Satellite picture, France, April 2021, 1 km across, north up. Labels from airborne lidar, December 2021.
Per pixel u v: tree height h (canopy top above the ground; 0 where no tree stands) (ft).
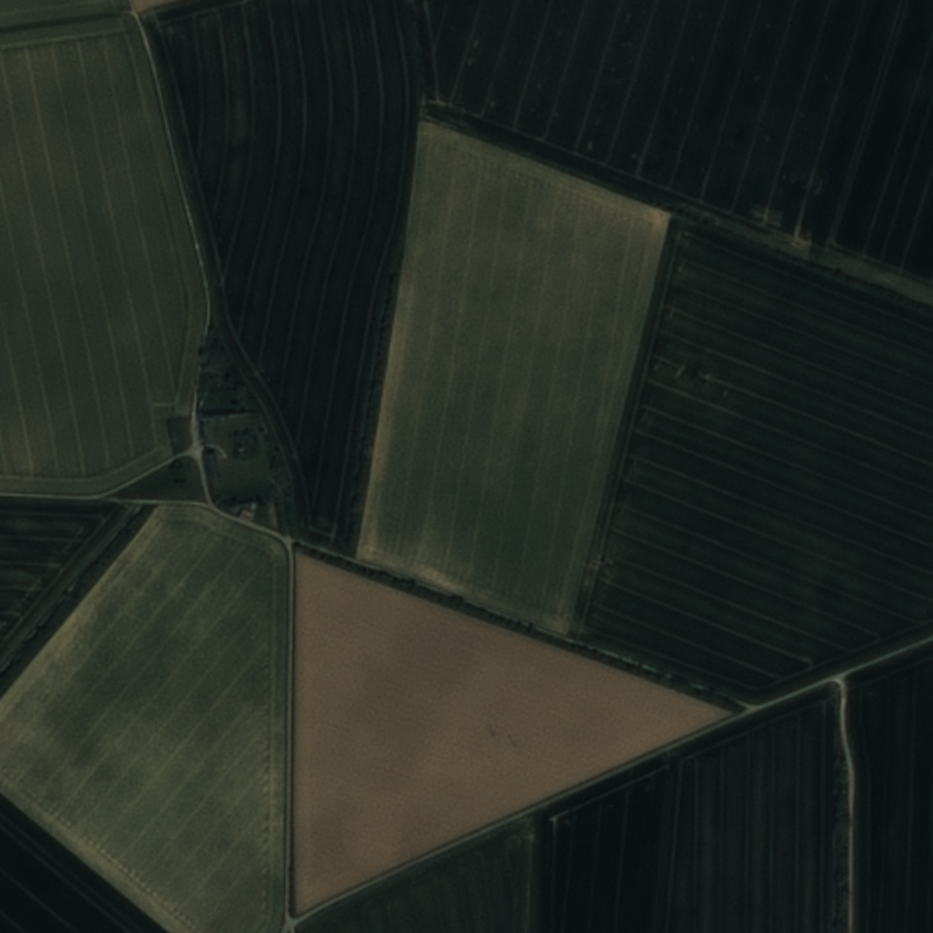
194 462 0
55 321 0
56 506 0
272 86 0
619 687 0
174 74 0
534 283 0
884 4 0
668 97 0
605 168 0
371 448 26
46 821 0
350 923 0
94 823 0
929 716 0
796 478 0
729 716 0
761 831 0
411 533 0
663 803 0
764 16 0
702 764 0
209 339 28
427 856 0
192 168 0
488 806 0
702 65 0
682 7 0
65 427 0
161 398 0
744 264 0
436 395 0
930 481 0
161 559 0
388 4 0
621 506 0
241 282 0
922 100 0
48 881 0
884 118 0
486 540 0
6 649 0
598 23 0
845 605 0
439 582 0
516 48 0
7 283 0
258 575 0
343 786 0
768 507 0
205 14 0
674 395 0
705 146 0
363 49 0
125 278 0
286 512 33
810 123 0
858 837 0
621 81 0
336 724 0
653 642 0
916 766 0
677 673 0
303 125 0
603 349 0
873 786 0
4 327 0
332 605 0
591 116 0
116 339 0
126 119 0
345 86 0
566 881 0
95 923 0
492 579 0
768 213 0
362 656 0
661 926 0
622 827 0
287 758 0
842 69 0
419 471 0
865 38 0
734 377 0
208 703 0
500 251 0
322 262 0
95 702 0
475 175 0
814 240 0
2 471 0
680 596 0
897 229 0
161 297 0
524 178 0
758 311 0
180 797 0
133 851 0
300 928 0
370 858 0
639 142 0
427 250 0
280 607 0
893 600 0
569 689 0
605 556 0
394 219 0
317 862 0
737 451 0
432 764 0
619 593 0
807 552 0
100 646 0
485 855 0
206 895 0
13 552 0
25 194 0
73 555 0
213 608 0
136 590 0
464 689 0
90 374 0
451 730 0
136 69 0
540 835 0
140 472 0
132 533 22
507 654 0
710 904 0
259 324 0
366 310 0
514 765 0
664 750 0
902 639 0
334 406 0
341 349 0
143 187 0
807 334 0
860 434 0
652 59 0
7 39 0
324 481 0
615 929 0
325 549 0
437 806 0
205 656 0
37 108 0
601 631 0
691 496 0
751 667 0
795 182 0
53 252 0
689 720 0
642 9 0
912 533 0
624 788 0
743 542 0
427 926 0
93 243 0
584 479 0
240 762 0
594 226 0
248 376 0
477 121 0
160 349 0
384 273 0
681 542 0
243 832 0
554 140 0
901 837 0
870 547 0
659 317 0
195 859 0
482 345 0
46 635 21
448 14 0
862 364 0
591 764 0
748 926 0
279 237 0
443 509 0
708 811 0
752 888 0
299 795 0
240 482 0
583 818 0
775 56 0
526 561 0
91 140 0
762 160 0
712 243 0
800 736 0
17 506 0
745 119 0
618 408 0
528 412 0
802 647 0
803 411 0
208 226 0
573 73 0
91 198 0
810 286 0
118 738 0
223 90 0
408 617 0
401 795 0
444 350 0
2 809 0
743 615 0
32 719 0
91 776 0
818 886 0
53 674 0
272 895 0
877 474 0
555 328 0
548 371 0
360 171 0
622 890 0
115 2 0
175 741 0
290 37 0
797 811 0
